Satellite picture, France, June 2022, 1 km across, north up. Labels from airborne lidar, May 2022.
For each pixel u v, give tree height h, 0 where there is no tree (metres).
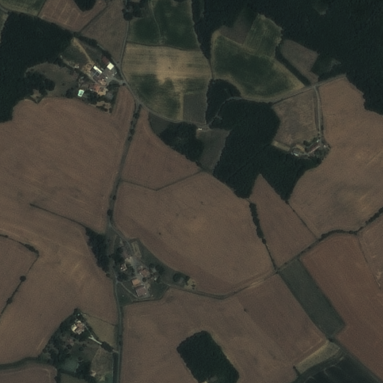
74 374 11
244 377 0
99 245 24
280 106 0
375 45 12
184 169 0
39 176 0
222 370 13
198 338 17
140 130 0
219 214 0
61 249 0
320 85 0
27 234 0
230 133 8
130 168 0
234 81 0
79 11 0
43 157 0
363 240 0
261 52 0
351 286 0
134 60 0
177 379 0
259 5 19
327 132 0
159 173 0
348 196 0
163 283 0
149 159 0
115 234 0
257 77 0
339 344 0
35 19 16
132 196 0
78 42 0
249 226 0
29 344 0
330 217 0
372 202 0
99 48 7
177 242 0
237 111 8
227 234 0
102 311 0
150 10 0
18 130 0
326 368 0
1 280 0
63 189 0
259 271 0
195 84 0
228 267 0
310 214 0
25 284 0
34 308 0
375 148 0
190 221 0
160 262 0
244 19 0
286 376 0
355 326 0
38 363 0
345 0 21
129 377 0
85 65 0
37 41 14
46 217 0
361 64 14
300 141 0
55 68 0
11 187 0
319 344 0
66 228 0
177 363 0
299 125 0
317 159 10
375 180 0
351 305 0
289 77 0
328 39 12
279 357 0
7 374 0
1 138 0
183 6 0
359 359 0
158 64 0
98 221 0
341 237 0
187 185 0
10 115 14
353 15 18
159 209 0
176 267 0
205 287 0
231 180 15
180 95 0
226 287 0
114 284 0
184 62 0
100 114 0
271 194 0
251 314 0
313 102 0
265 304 0
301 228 0
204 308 0
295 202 0
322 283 0
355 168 0
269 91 0
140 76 0
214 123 10
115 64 7
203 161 0
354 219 0
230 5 21
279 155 14
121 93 0
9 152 0
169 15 0
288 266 0
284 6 16
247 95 0
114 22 0
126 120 0
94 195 0
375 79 21
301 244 0
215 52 0
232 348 0
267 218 0
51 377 0
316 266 0
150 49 0
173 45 0
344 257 0
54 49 16
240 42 0
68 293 0
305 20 14
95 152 0
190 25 0
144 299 0
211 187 0
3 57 21
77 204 0
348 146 0
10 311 0
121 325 0
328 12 17
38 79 16
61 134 0
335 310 0
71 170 0
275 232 0
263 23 0
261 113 15
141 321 0
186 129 11
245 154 16
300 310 0
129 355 0
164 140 12
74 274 0
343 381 0
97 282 0
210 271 0
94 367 0
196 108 0
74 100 0
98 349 0
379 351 0
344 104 0
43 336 0
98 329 0
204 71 0
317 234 0
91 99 11
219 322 0
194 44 0
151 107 0
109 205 0
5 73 17
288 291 0
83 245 0
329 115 0
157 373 0
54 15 0
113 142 0
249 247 0
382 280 0
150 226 0
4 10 0
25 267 0
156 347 0
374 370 0
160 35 0
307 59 0
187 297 0
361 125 0
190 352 15
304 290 0
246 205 0
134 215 0
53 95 0
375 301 0
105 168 0
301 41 13
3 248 0
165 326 0
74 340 10
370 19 12
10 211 0
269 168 18
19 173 0
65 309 0
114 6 0
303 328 0
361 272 0
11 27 16
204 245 0
